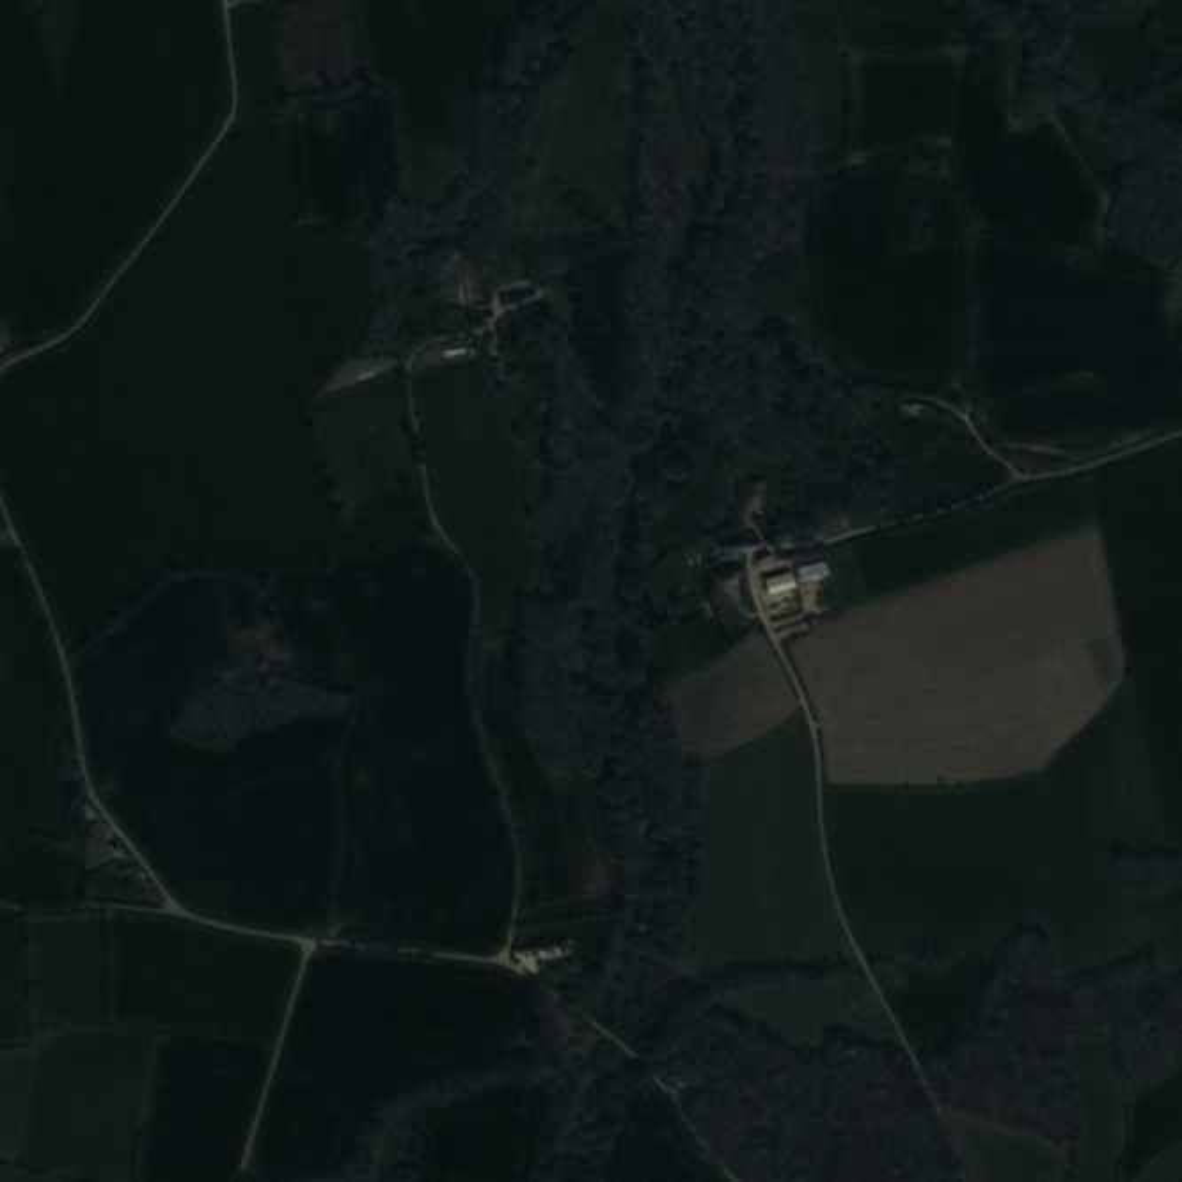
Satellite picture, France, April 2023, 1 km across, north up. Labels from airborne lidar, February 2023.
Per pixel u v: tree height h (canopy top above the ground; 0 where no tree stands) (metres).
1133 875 17
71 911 8
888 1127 21
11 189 0
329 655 0
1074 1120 19
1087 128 0
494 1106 0
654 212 20
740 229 24
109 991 8
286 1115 0
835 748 0
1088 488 0
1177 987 14
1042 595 0
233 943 0
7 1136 0
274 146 0
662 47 24
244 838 0
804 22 0
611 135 0
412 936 0
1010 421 0
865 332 0
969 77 0
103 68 0
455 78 0
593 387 23
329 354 0
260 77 0
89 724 0
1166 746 0
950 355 0
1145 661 0
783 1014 0
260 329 0
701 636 0
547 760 21
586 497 23
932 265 0
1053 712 0
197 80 0
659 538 0
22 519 0
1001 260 0
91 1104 0
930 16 0
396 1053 0
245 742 0
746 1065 20
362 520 0
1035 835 0
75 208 0
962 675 0
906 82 0
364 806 0
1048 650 0
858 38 0
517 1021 0
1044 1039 19
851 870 0
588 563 29
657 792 24
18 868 0
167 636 0
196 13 0
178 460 0
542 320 17
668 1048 16
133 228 0
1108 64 0
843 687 0
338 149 0
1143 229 11
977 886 0
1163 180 16
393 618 0
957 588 0
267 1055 0
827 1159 17
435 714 0
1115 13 12
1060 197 0
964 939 0
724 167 13
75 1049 0
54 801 0
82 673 0
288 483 0
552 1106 17
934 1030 0
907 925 0
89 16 0
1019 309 0
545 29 27
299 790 0
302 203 0
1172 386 0
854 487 24
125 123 0
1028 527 0
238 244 0
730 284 19
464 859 0
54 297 0
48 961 0
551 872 0
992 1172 0
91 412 0
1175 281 0
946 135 0
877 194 0
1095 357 0
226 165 0
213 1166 0
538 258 19
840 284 0
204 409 0
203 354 0
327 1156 0
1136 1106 0
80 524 0
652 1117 0
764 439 29
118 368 0
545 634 27
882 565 0
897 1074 21
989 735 0
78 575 0
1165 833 0
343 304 0
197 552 0
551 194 0
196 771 0
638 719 23
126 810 0
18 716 0
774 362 9
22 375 0
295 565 0
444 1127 0
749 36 22
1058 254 0
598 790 18
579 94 0
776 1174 19
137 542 0
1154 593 0
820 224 0
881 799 0
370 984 0
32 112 0
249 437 0
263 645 0
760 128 25
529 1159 0
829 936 0
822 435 7
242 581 0
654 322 28
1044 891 0
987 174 0
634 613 15
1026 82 9
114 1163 0
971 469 0
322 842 0
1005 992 19
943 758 0
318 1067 0
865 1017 0
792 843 0
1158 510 0
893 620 0
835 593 0
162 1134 0
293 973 0
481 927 0
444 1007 0
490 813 0
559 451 21
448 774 0
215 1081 0
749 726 0
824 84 0
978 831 0
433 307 16
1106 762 0
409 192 10
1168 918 0
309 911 0
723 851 0
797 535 7
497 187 27
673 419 11
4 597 0
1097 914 0
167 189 0
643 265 26
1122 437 0
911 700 0
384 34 0
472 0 0
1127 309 0
